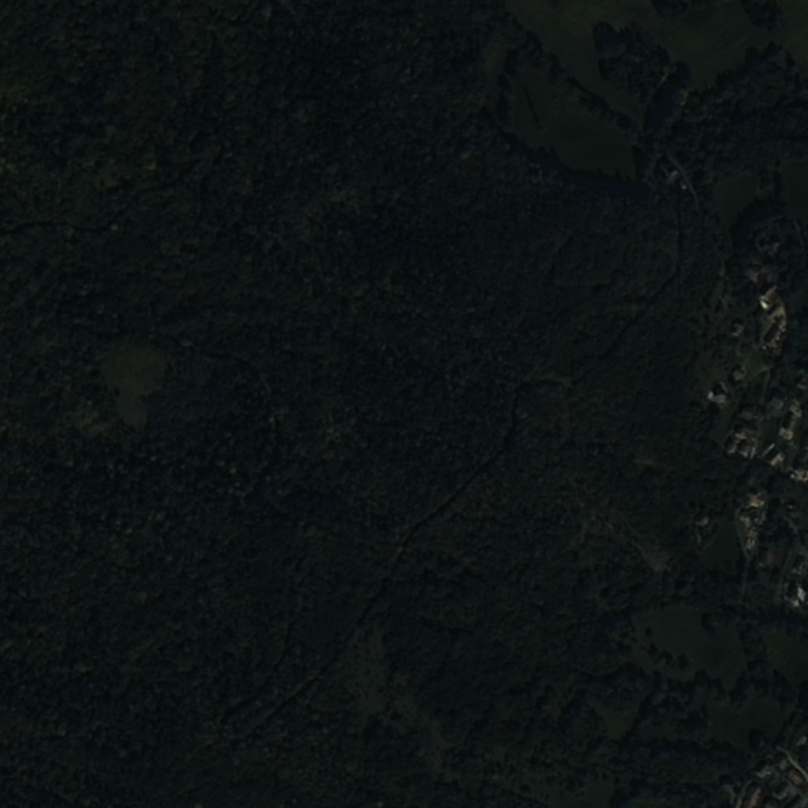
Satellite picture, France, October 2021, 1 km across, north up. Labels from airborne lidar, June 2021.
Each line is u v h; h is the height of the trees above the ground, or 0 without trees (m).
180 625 21
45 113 21
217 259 20
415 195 22
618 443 23
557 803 0
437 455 19
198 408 12
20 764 16
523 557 12
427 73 25
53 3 13
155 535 27
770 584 0
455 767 9
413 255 24
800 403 9
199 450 18
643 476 19
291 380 18
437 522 18
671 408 18
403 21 23
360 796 14
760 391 6
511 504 12
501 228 21
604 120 16
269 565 16
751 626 19
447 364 22
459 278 19
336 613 19
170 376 7
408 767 19
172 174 20
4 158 17
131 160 17
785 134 19
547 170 18
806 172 0
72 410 17
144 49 26
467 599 22
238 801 18
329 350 21
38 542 21
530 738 17
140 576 18
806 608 6
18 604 21
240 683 18
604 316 14
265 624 15
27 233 19
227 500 18
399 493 17
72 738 21
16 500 13
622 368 15
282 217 24
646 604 10
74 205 20
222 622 19
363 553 18
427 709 8
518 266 16
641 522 14
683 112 21
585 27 0
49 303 14
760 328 9
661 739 0
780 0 0
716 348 8
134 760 31
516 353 15
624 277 10
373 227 27
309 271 23
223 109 20
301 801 14
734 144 23
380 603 21
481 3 22
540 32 0
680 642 0
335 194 24
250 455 7
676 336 17
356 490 17
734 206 0
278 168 22
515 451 20
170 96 26
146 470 20
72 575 12
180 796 16
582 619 17
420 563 18
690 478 18
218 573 19
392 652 8
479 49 14
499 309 18
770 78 22
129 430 7
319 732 17
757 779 0
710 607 19
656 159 19
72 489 24
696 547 8
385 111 27
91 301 26
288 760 12
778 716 0
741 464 13
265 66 31
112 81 24
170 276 22
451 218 19
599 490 10
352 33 28
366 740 15
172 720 20
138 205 18
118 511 20
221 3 24
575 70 0
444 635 20
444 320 16
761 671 18
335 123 25
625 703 21
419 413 17
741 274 14
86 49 22
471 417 19
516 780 12
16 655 19
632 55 19
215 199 25
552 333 18
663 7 23
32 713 20
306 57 29
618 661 20
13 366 19
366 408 18
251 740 10
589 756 15
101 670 16
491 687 15
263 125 24
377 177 22
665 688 14
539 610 10
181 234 19
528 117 0
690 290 14
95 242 20
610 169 0
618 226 17
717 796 6
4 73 29
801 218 0
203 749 14
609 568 7
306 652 22
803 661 0
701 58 0
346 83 28
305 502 29
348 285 18
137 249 18
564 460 13
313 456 21
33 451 19
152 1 28
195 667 19
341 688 12
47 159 19
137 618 21
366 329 18
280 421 14
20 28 23
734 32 0
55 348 15
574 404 14
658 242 12
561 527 12
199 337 14
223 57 26
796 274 15
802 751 8
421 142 24
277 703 11
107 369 0
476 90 24
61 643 18
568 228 16
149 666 18
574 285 13
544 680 17
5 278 25
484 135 29
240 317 27
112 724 14
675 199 10
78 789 18
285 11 26
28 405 21
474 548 13
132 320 17
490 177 19
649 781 15
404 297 14
